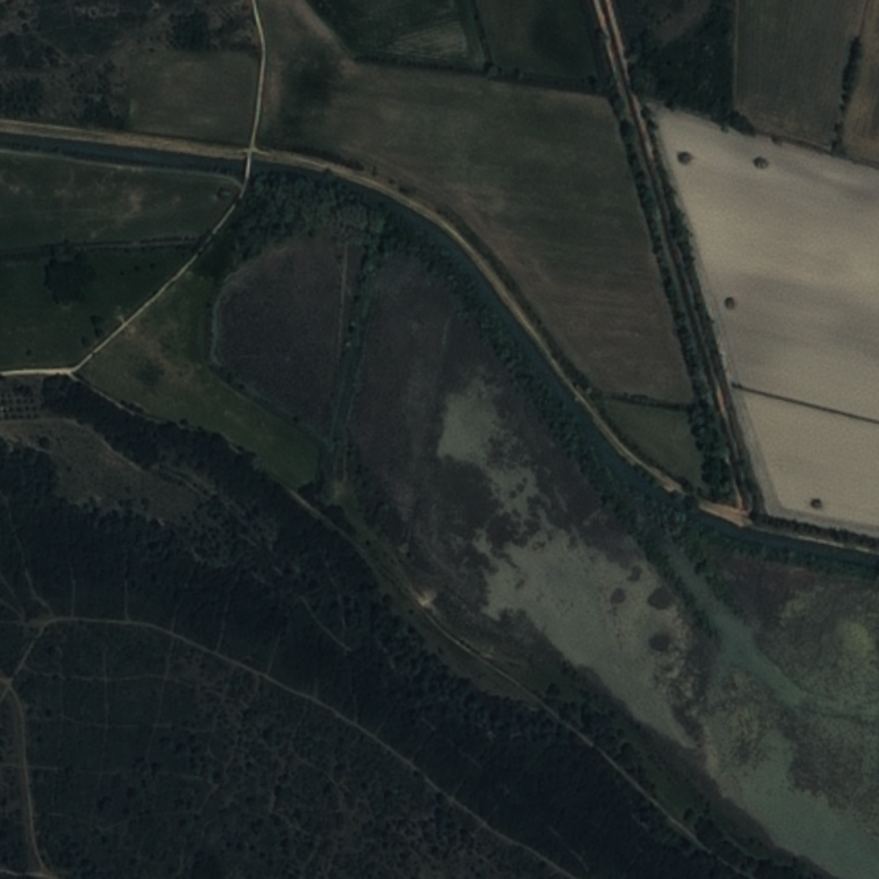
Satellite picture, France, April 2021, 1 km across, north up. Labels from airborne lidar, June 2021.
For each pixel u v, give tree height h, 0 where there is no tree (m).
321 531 7
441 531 0
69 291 13
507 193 0
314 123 0
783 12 0
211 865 7
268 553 7
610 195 0
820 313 0
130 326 0
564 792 6
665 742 0
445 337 0
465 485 0
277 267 0
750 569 0
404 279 0
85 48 0
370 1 0
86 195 0
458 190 0
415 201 0
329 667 6
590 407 0
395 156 0
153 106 0
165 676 0
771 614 0
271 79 0
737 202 0
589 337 0
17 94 8
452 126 0
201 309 0
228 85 0
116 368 0
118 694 0
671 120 0
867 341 0
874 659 0
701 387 16
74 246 6
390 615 7
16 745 0
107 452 0
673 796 0
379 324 0
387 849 8
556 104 0
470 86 0
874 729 0
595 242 0
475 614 0
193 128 0
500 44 0
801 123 0
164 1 0
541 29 0
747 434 0
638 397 7
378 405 0
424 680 21
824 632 0
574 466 0
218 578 8
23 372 0
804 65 0
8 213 0
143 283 0
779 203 0
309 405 0
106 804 11
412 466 0
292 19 0
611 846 6
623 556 0
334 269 0
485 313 8
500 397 0
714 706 0
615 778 7
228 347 0
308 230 18
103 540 6
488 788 6
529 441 0
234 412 0
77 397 9
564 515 0
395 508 0
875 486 0
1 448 11
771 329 0
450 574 0
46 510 8
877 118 0
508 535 0
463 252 0
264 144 0
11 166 0
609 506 12
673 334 0
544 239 0
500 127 0
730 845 7
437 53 0
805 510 0
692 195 0
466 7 0
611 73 6
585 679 0
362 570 8
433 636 0
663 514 14
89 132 0
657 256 10
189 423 6
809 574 0
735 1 0
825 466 0
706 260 0
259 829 13
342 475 0
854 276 0
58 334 0
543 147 0
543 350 0
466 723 6
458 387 0
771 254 0
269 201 7
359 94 0
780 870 9
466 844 9
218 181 0
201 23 10
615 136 0
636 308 0
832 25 0
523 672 0
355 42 0
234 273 0
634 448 6
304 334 0
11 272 0
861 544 13
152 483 0
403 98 0
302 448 0
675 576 7
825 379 0
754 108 0
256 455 11
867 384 0
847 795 0
